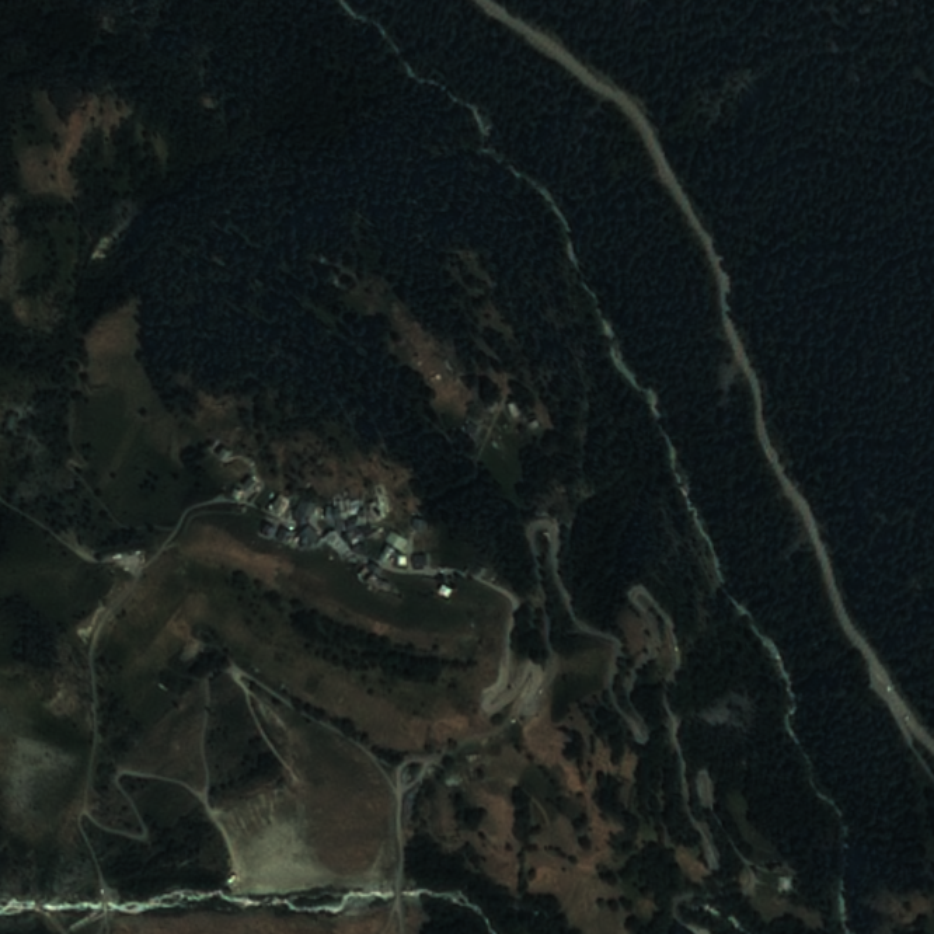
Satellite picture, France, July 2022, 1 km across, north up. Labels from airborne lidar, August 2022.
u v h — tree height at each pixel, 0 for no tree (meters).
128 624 0
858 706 10
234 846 0
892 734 13
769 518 14
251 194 17
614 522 12
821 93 27
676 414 12
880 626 30
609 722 18
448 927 9
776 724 21
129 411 0
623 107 0
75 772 0
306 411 12
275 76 16
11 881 0
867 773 21
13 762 0
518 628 12
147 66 20
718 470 17
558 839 0
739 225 34
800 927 15
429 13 22
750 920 16
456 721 0
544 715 0
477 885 9
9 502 10
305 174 16
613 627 11
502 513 18
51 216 13
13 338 10
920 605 21
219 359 24
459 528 20
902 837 19
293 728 0
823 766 14
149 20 10
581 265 12
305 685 0
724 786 19
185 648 0
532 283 12
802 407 12
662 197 25
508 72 16
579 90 16
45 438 13
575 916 0
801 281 28
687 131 12
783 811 11
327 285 24
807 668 15
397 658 15
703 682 42
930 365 18
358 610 0
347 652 11
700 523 7
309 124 20
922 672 19
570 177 20
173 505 0
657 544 15
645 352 12
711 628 12
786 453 7
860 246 32
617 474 22
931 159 24
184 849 8
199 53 10
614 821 12
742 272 14
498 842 0
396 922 0
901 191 27
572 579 17
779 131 29
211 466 0
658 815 17
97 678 8
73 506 8
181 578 0
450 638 0
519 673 0
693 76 18
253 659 0
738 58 21
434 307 29
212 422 0
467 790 0
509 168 8
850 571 24
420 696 0
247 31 15
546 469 14
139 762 0
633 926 17
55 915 0
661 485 17
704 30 26
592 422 26
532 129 22
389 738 0
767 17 23
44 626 13
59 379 14
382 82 15
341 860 0
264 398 15
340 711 0
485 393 17
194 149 18
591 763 8
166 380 11
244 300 38
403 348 0
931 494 20
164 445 0
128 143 15
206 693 0
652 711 12
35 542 0
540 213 19
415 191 26
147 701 0
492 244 28
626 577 18
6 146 9
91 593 0
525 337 23
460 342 25
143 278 19
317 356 31
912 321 28
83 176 11
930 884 24
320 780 0
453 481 23
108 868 5
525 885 8
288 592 0
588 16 35
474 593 0
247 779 7
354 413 21
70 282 10
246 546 0
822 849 17
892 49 28
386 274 9
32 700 0
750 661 17
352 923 0
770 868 11
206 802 0
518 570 12
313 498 15
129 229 7
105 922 0
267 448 10
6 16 12
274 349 26
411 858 7
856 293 28
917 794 16
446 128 20
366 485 9
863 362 27
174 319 29
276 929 0
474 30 9
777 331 23
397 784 0
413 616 0
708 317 22
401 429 27
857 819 20
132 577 0
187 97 18
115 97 11
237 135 17
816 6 20
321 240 20
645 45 9
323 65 18
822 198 22
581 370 32
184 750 0
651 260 15
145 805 0
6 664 0
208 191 20
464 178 30
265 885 0
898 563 23
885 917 11
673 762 14
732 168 33
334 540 0
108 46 16
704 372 15
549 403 16
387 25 20
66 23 13
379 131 18
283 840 0
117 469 0
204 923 0
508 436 0
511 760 0
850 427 31
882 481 24
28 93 11
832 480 25
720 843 15
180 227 21
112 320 0
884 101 22
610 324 8
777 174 30
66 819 0
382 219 24
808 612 17
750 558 19
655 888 11
